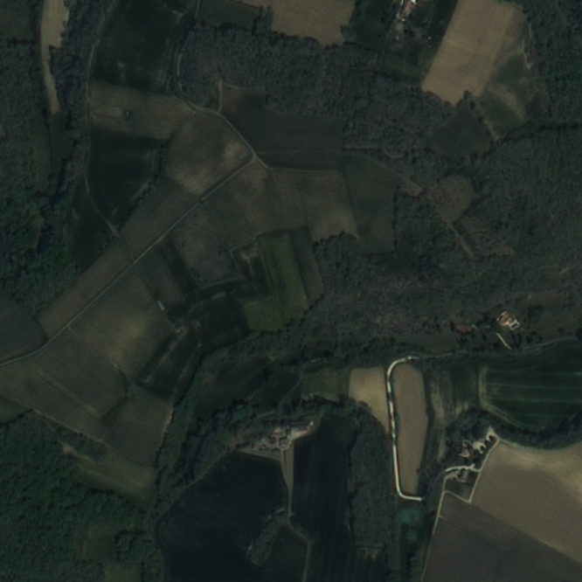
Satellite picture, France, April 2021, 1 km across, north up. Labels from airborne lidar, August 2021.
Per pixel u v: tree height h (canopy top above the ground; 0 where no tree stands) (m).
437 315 17
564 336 15
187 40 12
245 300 0
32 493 24
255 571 0
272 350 19
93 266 0
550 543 0
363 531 23
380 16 0
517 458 0
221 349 12
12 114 23
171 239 0
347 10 0
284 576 0
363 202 0
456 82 0
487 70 0
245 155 0
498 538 0
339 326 18
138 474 0
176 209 0
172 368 0
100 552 0
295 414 14
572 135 21
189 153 0
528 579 0
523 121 0
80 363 0
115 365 0
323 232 0
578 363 0
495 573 0
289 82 18
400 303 12
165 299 0
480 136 0
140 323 0
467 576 0
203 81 15
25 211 26
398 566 22
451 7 0
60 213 20
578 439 17
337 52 14
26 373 0
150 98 0
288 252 0
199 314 0
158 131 0
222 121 0
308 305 0
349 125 8
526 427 0
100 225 0
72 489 20
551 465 0
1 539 23
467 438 13
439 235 8
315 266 0
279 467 0
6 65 22
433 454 0
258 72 18
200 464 21
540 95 0
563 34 12
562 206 13
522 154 22
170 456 17
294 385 0
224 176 0
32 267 25
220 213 0
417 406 0
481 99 0
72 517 18
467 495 0
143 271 0
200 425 13
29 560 18
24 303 15
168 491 24
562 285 10
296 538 0
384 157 11
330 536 0
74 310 0
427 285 9
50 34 0
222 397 0
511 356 8
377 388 0
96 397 0
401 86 19
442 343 0
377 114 10
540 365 0
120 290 0
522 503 0
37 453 22
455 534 0
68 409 0
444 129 0
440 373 0
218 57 18
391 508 25
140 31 0
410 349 17
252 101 0
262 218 0
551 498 0
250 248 0
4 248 23
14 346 0
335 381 0
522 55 0
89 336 0
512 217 14
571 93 23
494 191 16
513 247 13
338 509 0
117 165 0
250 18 0
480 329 14
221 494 0
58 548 18
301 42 16
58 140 0
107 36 0
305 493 0
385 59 0
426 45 0
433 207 13
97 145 0
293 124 0
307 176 0
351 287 11
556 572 0
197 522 0
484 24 0
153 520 17
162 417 0
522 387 0
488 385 0
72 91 19
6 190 23
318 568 0
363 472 21
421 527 0
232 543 0
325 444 0
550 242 14
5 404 0
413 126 7
